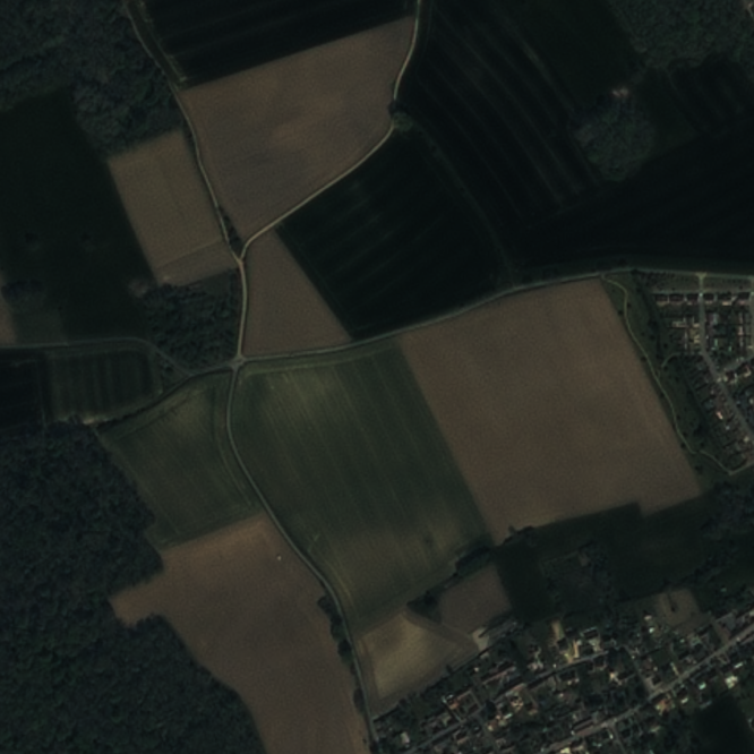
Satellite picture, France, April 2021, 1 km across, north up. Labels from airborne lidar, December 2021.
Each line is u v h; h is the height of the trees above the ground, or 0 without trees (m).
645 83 0
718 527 14
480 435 0
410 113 14
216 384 0
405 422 0
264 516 0
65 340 0
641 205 0
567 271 0
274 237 0
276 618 0
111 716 24
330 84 0
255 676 0
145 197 0
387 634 0
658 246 0
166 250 0
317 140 0
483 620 0
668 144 0
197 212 0
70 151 0
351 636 0
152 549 16
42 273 0
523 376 0
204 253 0
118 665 26
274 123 0
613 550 0
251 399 0
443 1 0
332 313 0
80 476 11
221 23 0
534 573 0
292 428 0
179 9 0
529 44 0
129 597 0
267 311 0
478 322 0
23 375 0
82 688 23
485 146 0
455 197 0
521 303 0
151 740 17
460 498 0
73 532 28
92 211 0
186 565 0
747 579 0
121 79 32
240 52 0
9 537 23
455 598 0
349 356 0
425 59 0
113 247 0
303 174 0
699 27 25
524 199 0
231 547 0
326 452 0
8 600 22
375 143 0
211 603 0
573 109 0
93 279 0
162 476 0
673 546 0
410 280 0
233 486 0
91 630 20
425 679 0
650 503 0
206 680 12
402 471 0
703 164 0
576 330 0
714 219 0
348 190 0
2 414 0
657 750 13
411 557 0
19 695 24
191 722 9
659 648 0
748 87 0
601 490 0
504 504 0
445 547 0
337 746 0
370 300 0
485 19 0
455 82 0
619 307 0
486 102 0
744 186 0
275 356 0
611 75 0
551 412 0
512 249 0
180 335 9
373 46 0
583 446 0
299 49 0
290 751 0
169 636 20
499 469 0
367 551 0
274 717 0
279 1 0
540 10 0
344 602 0
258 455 0
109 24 25
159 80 22
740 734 0
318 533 0
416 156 0
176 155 0
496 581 0
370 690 0
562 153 0
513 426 0
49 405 0
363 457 0
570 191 0
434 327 0
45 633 19
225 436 0
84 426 22
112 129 30
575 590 0
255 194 0
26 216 0
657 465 0
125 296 0
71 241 0
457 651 0
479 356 0
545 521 0
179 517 0
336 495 0
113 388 0
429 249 0
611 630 6
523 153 0
